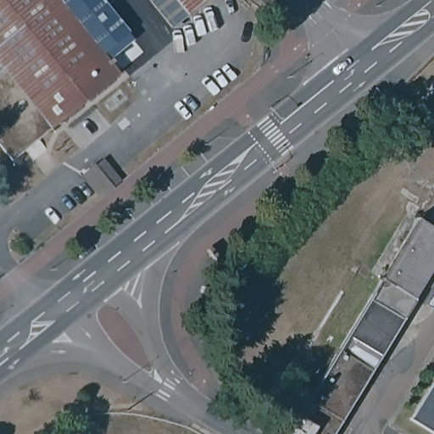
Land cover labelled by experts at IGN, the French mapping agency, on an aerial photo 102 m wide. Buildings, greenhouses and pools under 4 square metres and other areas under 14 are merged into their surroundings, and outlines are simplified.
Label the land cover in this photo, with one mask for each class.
<instances>
[{"label":"impervious surface","instance_id":"1","mask_svg":"<svg viewBox=\"0 0 434 434\"><path fill-rule=\"evenodd\" d=\"M131 27L132 36L141 47L142 53L136 59L127 58V54L117 56L115 61L122 71L119 78L98 93L97 97L88 100L76 114H64L61 110V114H58L61 117L58 124H51L47 120V131L29 146V153L32 161L47 173V178L37 186L29 185V190L17 192L12 197L10 203L5 205V212L0 214V434H36L56 419L58 412L64 410L66 403L75 402L81 388L88 383H97L100 388L98 397H103L108 402V415L158 420L168 426L180 424L186 431L195 434H258L253 429L236 431V427L227 424V420H219L207 412L210 400L219 395L217 381L214 373L210 371V364L205 363L200 342L195 337L186 336L181 324L183 312L197 307L195 302L205 293L207 283L202 280L203 271L217 261V256H224L227 251L225 239L229 237L232 229H241L244 241L251 239L258 224L254 217L253 202L259 193L266 192V188L273 185L278 200L292 203L295 173L307 168L310 175L319 173L327 156L325 147L329 142V129L341 125L346 136H351L354 132L359 134L361 124L354 110L359 98L368 97V103L378 102L380 97L395 98L398 102H409L412 105L424 102L431 110L434 125V0H231V7L227 8L224 15L219 7H212L210 10L209 7H203L202 14L193 15V19H188L186 15V24L181 22L171 29L149 0H108ZM276 5L281 8V14L285 17L283 29L287 34L278 46L264 47L258 73L251 76L239 90L232 93L231 97L225 98L224 102L215 103L214 107L209 108L210 112L205 115V119L193 125V134L198 139L190 144L185 153L178 154V163L171 164L170 168L154 166L147 171L146 176V180L153 183L154 190H158L156 198L149 203H134L131 200H115L107 210L117 212V229L112 234L103 236L93 225L81 227L76 237V241L83 248L80 259H70L64 253L51 259L42 270L31 276L20 268H14L15 259L8 251L10 232H25L32 239H36L49 225L58 224L61 215L71 212L76 205L85 202L95 193L93 186L85 180V173L86 170L97 166L98 158L107 156V163L122 180L125 173L122 168L131 159L136 158L147 144H151L163 132L168 131L180 117L188 119L190 115L195 114V107L202 103V98L207 97L209 93H219L222 86L227 85V81L236 80L237 73H241V68L248 63L253 34V22L256 20V10L259 7ZM127 73L141 76L144 86L136 102L125 110L120 120L108 122L100 112H93L92 122H81L76 127H70L76 117L85 114L88 108L97 105L100 100L107 102L105 107L108 110H115L120 103H124L127 95L120 90V85L127 80ZM61 134H68L76 146L83 147V151L58 166L56 159L51 156V151ZM420 219H426L434 225V207L429 210H417V214L414 215H407L405 210L400 215L398 220L402 224L393 232L385 251L373 266V273L376 276L375 292L381 285L383 270H390L393 258L402 249L403 242L407 241L414 225ZM383 359L376 366L370 385L366 387L358 402L354 403L353 409L337 434H398L395 429L388 426V420L400 409V403L409 402L410 397H420L434 378V271L427 280L426 287L420 292L419 300L410 310L409 317L407 320H400L392 341L381 351Z\"/></svg>","mask_w":434,"mask_h":434},{"label":"herbaceous vegetation","instance_id":"2","mask_svg":"<svg viewBox=\"0 0 434 434\"><path fill-rule=\"evenodd\" d=\"M248 63L241 68V73H237L236 80L227 81V85L222 86L219 93H209L207 97L202 98V103L195 107V114L190 115L188 119L180 117L168 131L163 132L151 144H147L136 158L131 159L122 168L125 173L122 180L108 197L98 198L95 193L85 202L76 205L71 212L61 215L58 224L49 225L36 239H32L25 232H10L8 251L15 259L14 268H20L31 276L42 270L51 259L64 253L66 242L76 237L81 227L93 225L97 224L100 215L107 210L115 200H131V193L136 188L137 180L146 176L147 171L154 166L170 168L171 164L178 163V154L185 153L190 144L198 139L193 134V125L205 119V115L210 112L209 108L214 107L215 103L224 102L225 98L231 97L232 93L239 90L251 76L258 73L264 47L263 42L253 34ZM127 80L120 85V90L127 95L124 103H120L115 110H108L105 107L107 102L100 100L97 105L88 108L85 114L76 117L70 127H76L81 122H92L93 112H100L108 122L120 120L125 110L136 102L144 86L141 76L127 73ZM83 151V147L76 146L68 134H61L51 151V156L56 159L58 166ZM7 147L0 139V164L7 170V195L12 197L17 192L29 190V185L37 186L47 178V173L32 161L29 153L20 156L19 161H10L5 154ZM434 207V147L424 149L415 161L383 163L380 170L376 171V175L353 186L344 203L327 215L324 224L319 225V229L314 232V236L310 237L307 244L288 259L281 275L275 271L259 273L256 264H248L244 270L239 271V285L231 287L232 297L236 303V310L232 315L234 327L231 336L236 344L232 346V353L234 363L242 370V376L248 378L249 385H253L261 395H268L273 400V405H278L280 409L292 410L295 419L310 420L319 426H325L329 422V415H325L320 409L329 400L331 392L337 388L324 376L329 359L334 354V349L341 346L342 339L348 334L371 292H375L376 276L373 273V266L385 251L393 232L402 224L398 220L400 215L405 210L407 215H414L417 214V210H429ZM288 364L302 368L309 375V381L281 378L280 375L287 370ZM100 388L97 383H88L81 388L75 402L66 403L64 410H70L73 415L88 417L85 434H195L186 431L180 424L168 426L158 420L108 415V402L103 397H98ZM420 397H410L409 402L400 403V409L388 420V426L395 429L398 434H427L424 429L415 427L410 422L412 410Z\"/></svg>","mask_w":434,"mask_h":434},{"label":"building","instance_id":"3","mask_svg":"<svg viewBox=\"0 0 434 434\"><path fill-rule=\"evenodd\" d=\"M142 53L141 47L132 36L131 27L108 0H0V139L7 147L5 154L10 161H19L20 156L29 153V146L47 131V120L51 124H58L61 117L58 114H61V110L64 114H76L88 100L97 97L98 93L119 78L122 71L115 61L117 56L127 54V58L136 59ZM171 29L181 22L186 24V15L188 19H193V15L202 14L203 7H209L210 10L212 7H219L224 15L227 8L231 7V0H149ZM85 180L93 186L95 193L98 198L108 197L122 180L107 163V156L98 158L97 166L86 170L85 173ZM434 271V225L426 219H420L414 225L407 241L403 242L402 249L393 258L390 270H383L381 285L375 292H371L348 334L342 339L341 346L334 349V354L329 359L324 376L337 388L331 392L329 400L320 409L325 415H329V422L325 426H319L315 434H337L353 409L354 403L358 402L366 387L370 385L376 366L383 359L381 351L392 341L400 320H407L409 317L410 310L419 300L420 292L426 287L427 280ZM410 422L415 427L424 429L427 434H434V378L420 397L412 410Z\"/></svg>","mask_w":434,"mask_h":434},{"label":"deciduous trees","instance_id":"4","mask_svg":"<svg viewBox=\"0 0 434 434\"><path fill-rule=\"evenodd\" d=\"M285 17L281 14V8L276 5L259 7L256 10V20L253 22V34L263 42L264 47L278 46L287 34L283 29ZM361 124L359 134L354 132L351 136H346L341 125L329 129V142L325 147L327 156L319 173L310 175L307 168L295 173L292 203L278 200L273 185L266 188V192L259 193L253 202L254 217L258 224L251 239L244 241L241 229H232L229 237L225 239L227 251L224 256H217V261L203 271L202 280L207 283L205 293L195 302L197 307L183 312L181 324L186 336L195 337L200 342L205 363L210 364V371L214 373L217 381L219 395L210 400L207 412L219 420H227V424L236 427V431L253 429L258 434H315L319 426L310 420L295 419L292 410L280 409L278 405H273V400L268 395H261L253 385H249L248 378L242 376V370L234 363L232 353V346L236 344L231 336L234 327L232 315L236 310V303L232 297L231 287L239 285V271L244 270L248 264H256L259 273L275 271L281 275L288 259L307 244L310 237L314 236V232L319 229V225L324 224L327 215L344 203L353 186L376 175V171L380 170L383 163L415 161L424 149L434 147V125L431 110L424 102L412 105L409 102H398L395 98L380 97L378 102L368 103V97L359 98L354 110ZM158 190H154L153 183L146 180V176L137 180L136 188L131 193V200L134 203H149L156 198ZM117 212L107 210L100 215L97 224L93 225L103 236L112 234L117 229ZM70 259H80L83 248L76 241V237L66 242L64 253ZM281 378L309 381V375L302 368L288 364L287 370L280 375ZM88 417L73 415L70 410H64L58 412L56 419L36 434H85Z\"/></svg>","mask_w":434,"mask_h":434},{"label":"coniferous trees","instance_id":"5","mask_svg":"<svg viewBox=\"0 0 434 434\"><path fill-rule=\"evenodd\" d=\"M7 170L0 164V214L5 212V205L10 203L12 197L7 195Z\"/></svg>","mask_w":434,"mask_h":434}]
</instances>
